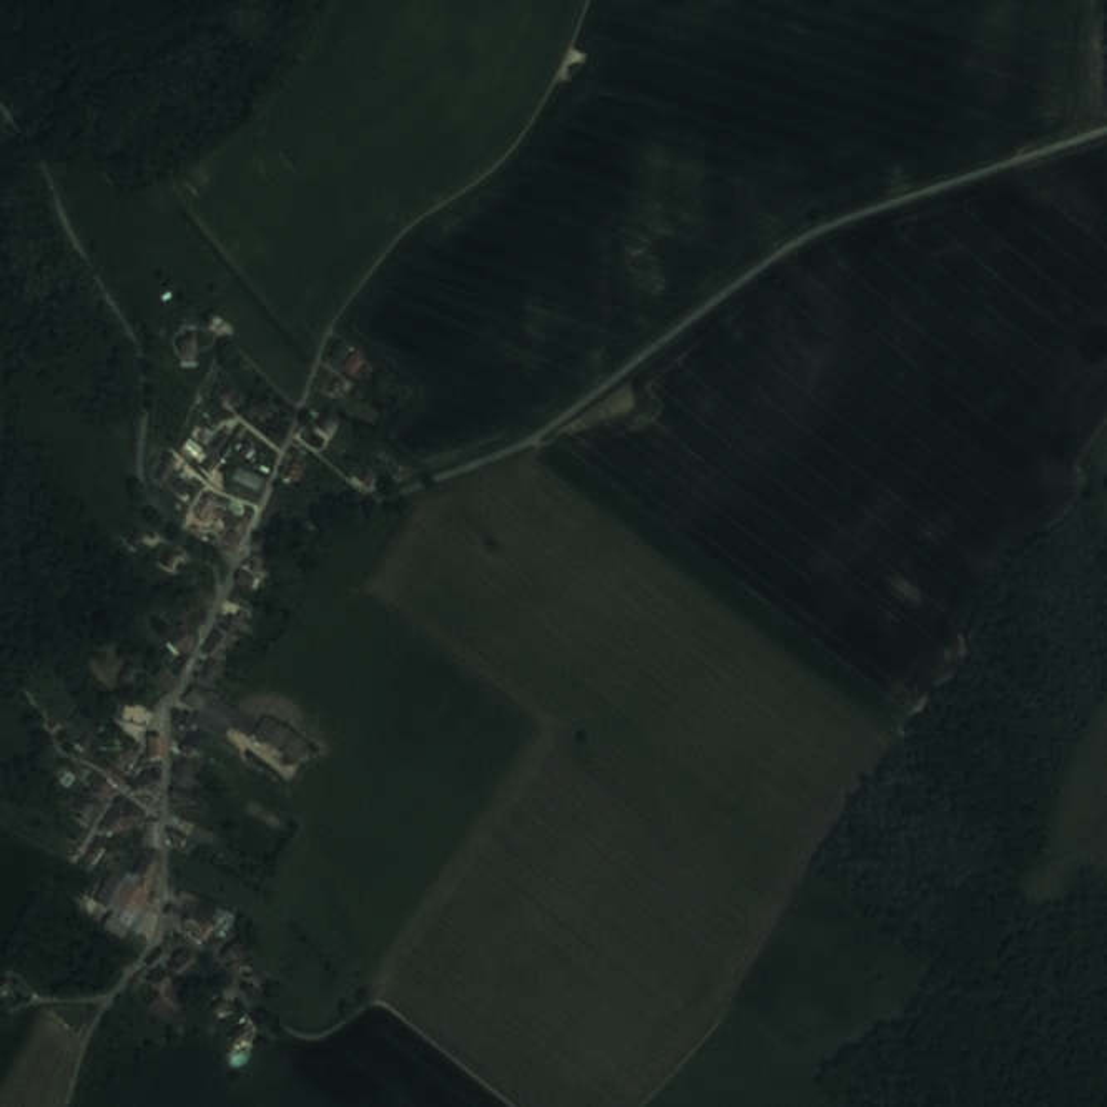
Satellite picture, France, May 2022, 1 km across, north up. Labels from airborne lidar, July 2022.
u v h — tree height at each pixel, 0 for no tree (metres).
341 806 0
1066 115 0
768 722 0
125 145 17
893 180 0
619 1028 0
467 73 0
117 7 31
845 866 16
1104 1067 14
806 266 0
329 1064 0
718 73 0
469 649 0
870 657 0
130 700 14
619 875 0
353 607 0
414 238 0
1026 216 0
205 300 0
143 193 11
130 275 0
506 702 0
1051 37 0
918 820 21
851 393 0
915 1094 27
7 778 17
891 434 0
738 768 0
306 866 0
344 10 0
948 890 22
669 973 0
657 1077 0
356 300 0
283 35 24
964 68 0
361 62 0
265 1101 0
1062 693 8
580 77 0
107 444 0
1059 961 6
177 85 26
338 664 0
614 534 0
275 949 0
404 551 0
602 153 0
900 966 0
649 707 0
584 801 0
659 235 0
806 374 0
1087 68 0
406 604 0
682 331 0
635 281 0
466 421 0
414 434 0
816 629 0
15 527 27
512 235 0
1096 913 9
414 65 0
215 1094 0
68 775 0
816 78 0
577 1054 0
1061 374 0
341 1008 11
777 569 0
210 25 16
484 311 0
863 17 0
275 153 0
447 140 0
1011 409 0
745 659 0
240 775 0
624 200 0
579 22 0
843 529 0
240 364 7
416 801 0
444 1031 0
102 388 10
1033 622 10
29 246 26
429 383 0
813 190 0
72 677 24
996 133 0
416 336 0
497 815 0
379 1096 0
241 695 0
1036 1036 15
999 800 21
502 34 0
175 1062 0
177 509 0
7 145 28
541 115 0
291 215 0
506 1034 0
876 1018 0
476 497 0
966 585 0
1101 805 0
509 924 0
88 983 10
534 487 0
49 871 0
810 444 0
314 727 0
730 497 0
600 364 0
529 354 0
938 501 0
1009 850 20
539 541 0
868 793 17
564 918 0
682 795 0
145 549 6
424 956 0
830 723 0
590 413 0
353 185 0
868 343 0
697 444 0
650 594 0
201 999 22
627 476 0
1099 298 0
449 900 0
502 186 0
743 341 0
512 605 0
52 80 25
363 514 15
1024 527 0
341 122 0
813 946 0
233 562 0
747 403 0
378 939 0
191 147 8
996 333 0
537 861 0
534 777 0
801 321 0
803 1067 0
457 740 0
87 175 0
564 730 0
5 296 19
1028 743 18
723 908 0
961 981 16
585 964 0
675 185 0
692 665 0
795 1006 0
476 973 0
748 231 0
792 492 0
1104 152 0
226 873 9
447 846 0
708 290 0
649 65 0
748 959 0
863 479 0
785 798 0
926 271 0
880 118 0
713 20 0
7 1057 0
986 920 17
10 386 15
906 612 0
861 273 0
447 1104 0
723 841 0
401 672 0
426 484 12
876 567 0
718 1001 0
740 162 0
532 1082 0
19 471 25
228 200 0
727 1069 0
